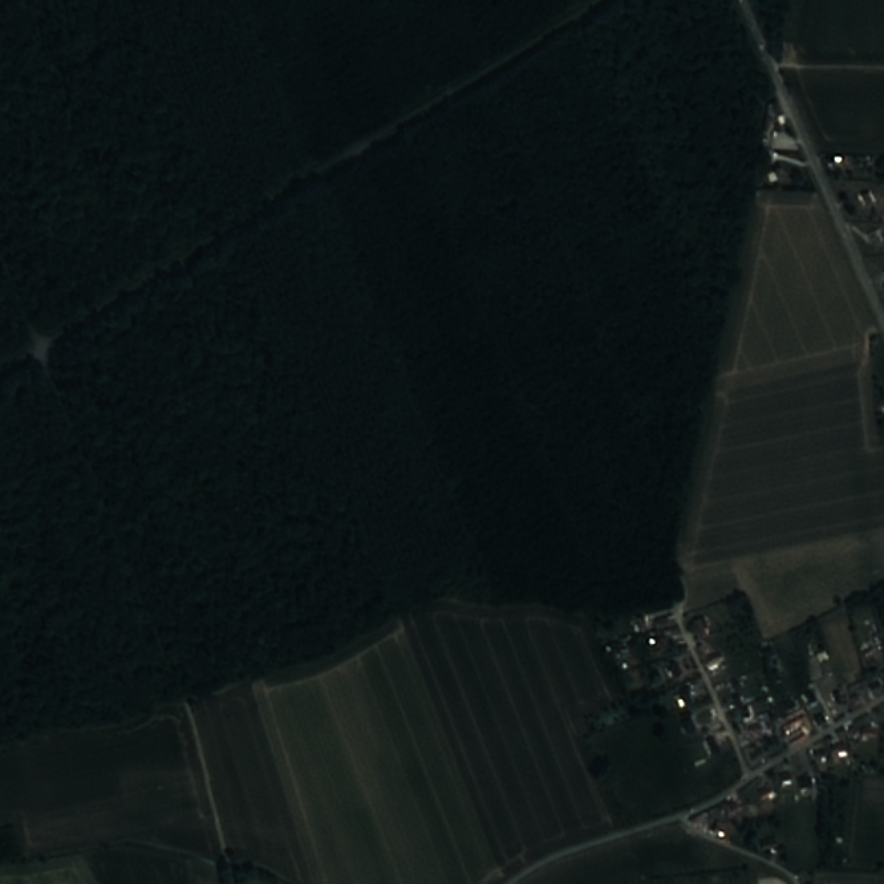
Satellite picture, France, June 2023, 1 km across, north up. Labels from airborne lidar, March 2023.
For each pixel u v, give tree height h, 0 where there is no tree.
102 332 21
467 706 0
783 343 0
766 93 18
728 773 0
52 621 20
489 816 0
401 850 0
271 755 0
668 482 16
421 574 24
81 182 22
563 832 0
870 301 0
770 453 0
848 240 0
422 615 0
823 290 0
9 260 28
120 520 21
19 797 0
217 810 0
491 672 0
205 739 0
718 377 0
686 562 0
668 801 0
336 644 13
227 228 0
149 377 23
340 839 0
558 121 13
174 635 19
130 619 20
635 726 0
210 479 25
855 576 0
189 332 30
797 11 0
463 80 0
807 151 0
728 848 0
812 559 0
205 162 21
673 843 0
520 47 0
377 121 16
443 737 0
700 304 17
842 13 0
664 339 18
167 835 0
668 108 24
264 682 0
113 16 24
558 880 0
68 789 0
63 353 22
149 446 22
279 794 0
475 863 0
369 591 17
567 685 0
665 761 0
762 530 0
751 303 0
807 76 0
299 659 15
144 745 0
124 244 22
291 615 21
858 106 0
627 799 0
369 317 21
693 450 14
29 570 20
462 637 0
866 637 0
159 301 19
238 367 20
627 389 16
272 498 29
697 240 18
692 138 24
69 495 30
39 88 23
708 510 0
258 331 22
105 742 0
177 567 22
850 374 0
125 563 18
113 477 24
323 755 0
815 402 0
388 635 0
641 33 24
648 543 14
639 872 0
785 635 0
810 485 0
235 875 13
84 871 0
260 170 27
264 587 20
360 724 0
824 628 0
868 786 0
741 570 0
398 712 0
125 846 0
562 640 0
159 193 18
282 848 0
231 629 16
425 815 0
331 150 13
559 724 0
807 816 0
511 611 0
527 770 0
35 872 0
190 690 14
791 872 8
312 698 0
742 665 0
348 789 0
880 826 0
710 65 21
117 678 19
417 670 0
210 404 22
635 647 10
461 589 16
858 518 0
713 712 0
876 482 0
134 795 0
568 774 0
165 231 25
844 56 0
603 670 0
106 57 25
